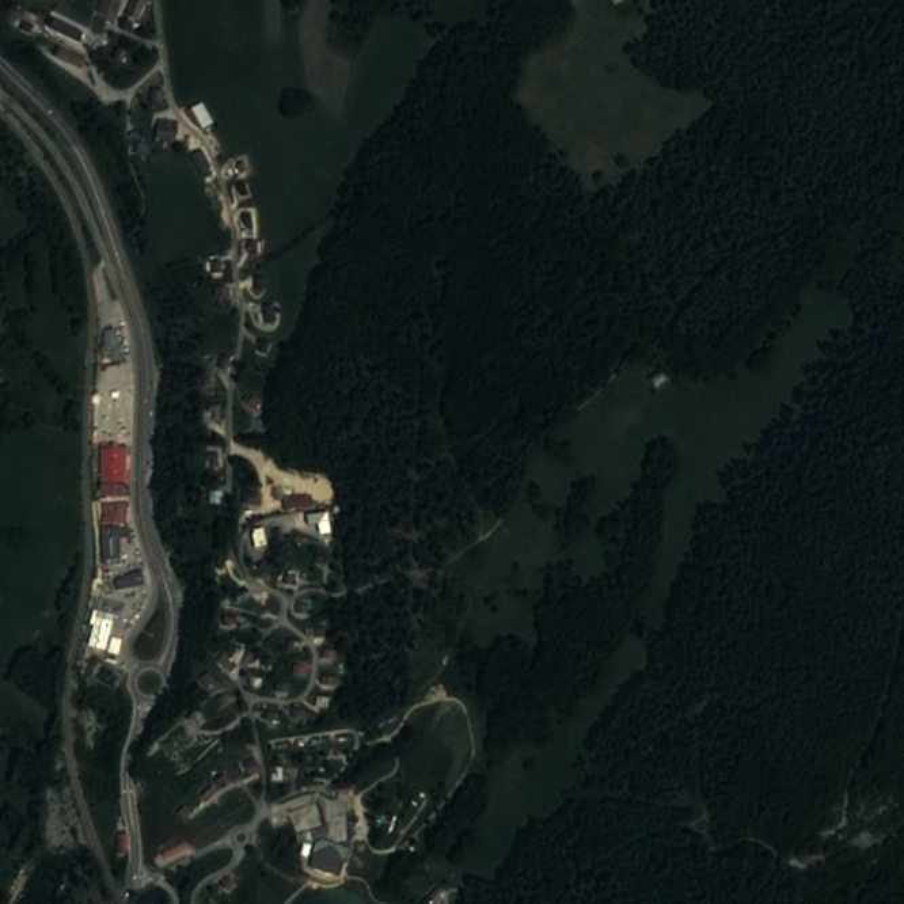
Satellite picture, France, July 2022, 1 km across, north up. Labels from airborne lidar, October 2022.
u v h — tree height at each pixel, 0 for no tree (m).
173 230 0
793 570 29
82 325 18
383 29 0
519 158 22
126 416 0
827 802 10
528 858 30
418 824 0
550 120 0
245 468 18
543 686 26
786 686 20
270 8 0
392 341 25
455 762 0
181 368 14
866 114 17
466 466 13
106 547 0
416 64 0
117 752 10
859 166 24
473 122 20
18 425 11
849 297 8
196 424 18
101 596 0
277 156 0
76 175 0
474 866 0
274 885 0
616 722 27
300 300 0
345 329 18
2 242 0
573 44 0
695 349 24
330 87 0
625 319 26
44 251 0
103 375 0
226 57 0
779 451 18
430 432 16
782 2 13
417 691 0
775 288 26
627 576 18
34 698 18
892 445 24
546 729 20
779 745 19
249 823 0
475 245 26
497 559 0
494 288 25
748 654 28
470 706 0
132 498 0
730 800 23
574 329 15
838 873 7
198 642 15
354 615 12
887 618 24
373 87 0
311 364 20
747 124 8
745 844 11
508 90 15
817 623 25
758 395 0
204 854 0
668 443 19
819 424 26
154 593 0
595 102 0
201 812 0
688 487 0
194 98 0
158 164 0
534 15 18
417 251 21
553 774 0
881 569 26
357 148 0
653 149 0
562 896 13
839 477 28
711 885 17
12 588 0
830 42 26
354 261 18
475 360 19
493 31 12
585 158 0
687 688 28
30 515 0
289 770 0
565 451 16
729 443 0
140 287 0
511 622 0
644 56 19
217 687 0
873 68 18
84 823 0
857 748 13
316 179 0
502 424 18
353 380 20
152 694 0
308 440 9
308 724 10
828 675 13
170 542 13
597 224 15
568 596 16
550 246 24
